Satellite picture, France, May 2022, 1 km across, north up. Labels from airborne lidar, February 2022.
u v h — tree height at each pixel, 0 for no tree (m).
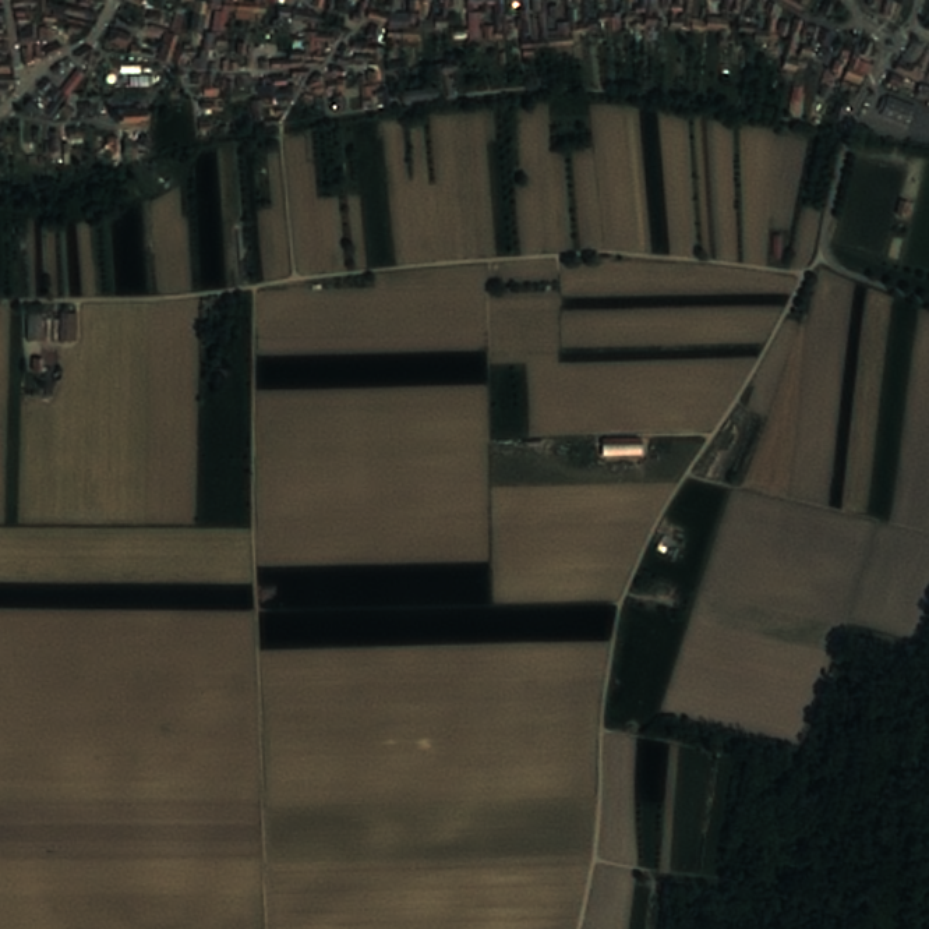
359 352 0
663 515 0
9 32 0
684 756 0
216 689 0
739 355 0
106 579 0
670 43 0
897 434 0
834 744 26
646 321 0
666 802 0
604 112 0
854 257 0
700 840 0
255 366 0
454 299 0
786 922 24
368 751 0
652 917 0
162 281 0
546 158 0
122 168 8
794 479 0
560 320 0
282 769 0
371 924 0
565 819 0
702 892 20
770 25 0
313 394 0
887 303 0
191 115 0
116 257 0
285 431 0
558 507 0
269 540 0
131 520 0
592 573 0
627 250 0
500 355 0
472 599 0
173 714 0
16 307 10
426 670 0
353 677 0
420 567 0
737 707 0
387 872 0
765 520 0
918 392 0
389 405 0
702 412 0
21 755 0
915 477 0
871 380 0
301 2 0
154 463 0
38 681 0
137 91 0
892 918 0
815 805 25
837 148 11
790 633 0
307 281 0
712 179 0
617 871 0
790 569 0
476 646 0
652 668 0
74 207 0
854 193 0
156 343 0
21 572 0
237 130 16
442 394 0
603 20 0
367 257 0
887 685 23
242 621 0
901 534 0
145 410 0
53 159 0
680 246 0
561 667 0
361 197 0
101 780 0
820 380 0
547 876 0
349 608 0
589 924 0
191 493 0
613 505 0
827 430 0
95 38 0
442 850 0
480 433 0
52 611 0
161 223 0
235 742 0
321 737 0
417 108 11
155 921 0
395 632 0
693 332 0
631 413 0
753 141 0
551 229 0
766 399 0
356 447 0
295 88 0
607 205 0
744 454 0
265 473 0
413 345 0
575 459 0
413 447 0
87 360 0
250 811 0
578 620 0
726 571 0
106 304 0
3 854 0
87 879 0
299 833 0
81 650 0
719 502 0
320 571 0
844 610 0
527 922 0
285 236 0
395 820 0
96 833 0
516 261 0
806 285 10
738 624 0
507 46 0
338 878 0
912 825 25
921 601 0
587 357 0
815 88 0
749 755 22
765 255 0
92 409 0
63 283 0
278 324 0
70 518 0
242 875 0
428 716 0
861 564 0
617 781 0
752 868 21
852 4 0
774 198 0
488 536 0
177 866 0
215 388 15
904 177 0
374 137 0
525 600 0
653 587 0
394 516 0
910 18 0
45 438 0
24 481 0
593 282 0
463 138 0
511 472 0
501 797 0
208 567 0
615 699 0
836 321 0
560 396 0
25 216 0
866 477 0
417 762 0
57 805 0
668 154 0
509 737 0
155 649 0
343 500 0
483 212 0
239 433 0
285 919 0
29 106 9
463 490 0
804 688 0
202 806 0
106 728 0
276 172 0
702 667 0
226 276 0
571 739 0
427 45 0
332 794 0
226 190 0
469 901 0
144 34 0
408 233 0
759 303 0
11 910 0
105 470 0
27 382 0
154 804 0
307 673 0
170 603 0
